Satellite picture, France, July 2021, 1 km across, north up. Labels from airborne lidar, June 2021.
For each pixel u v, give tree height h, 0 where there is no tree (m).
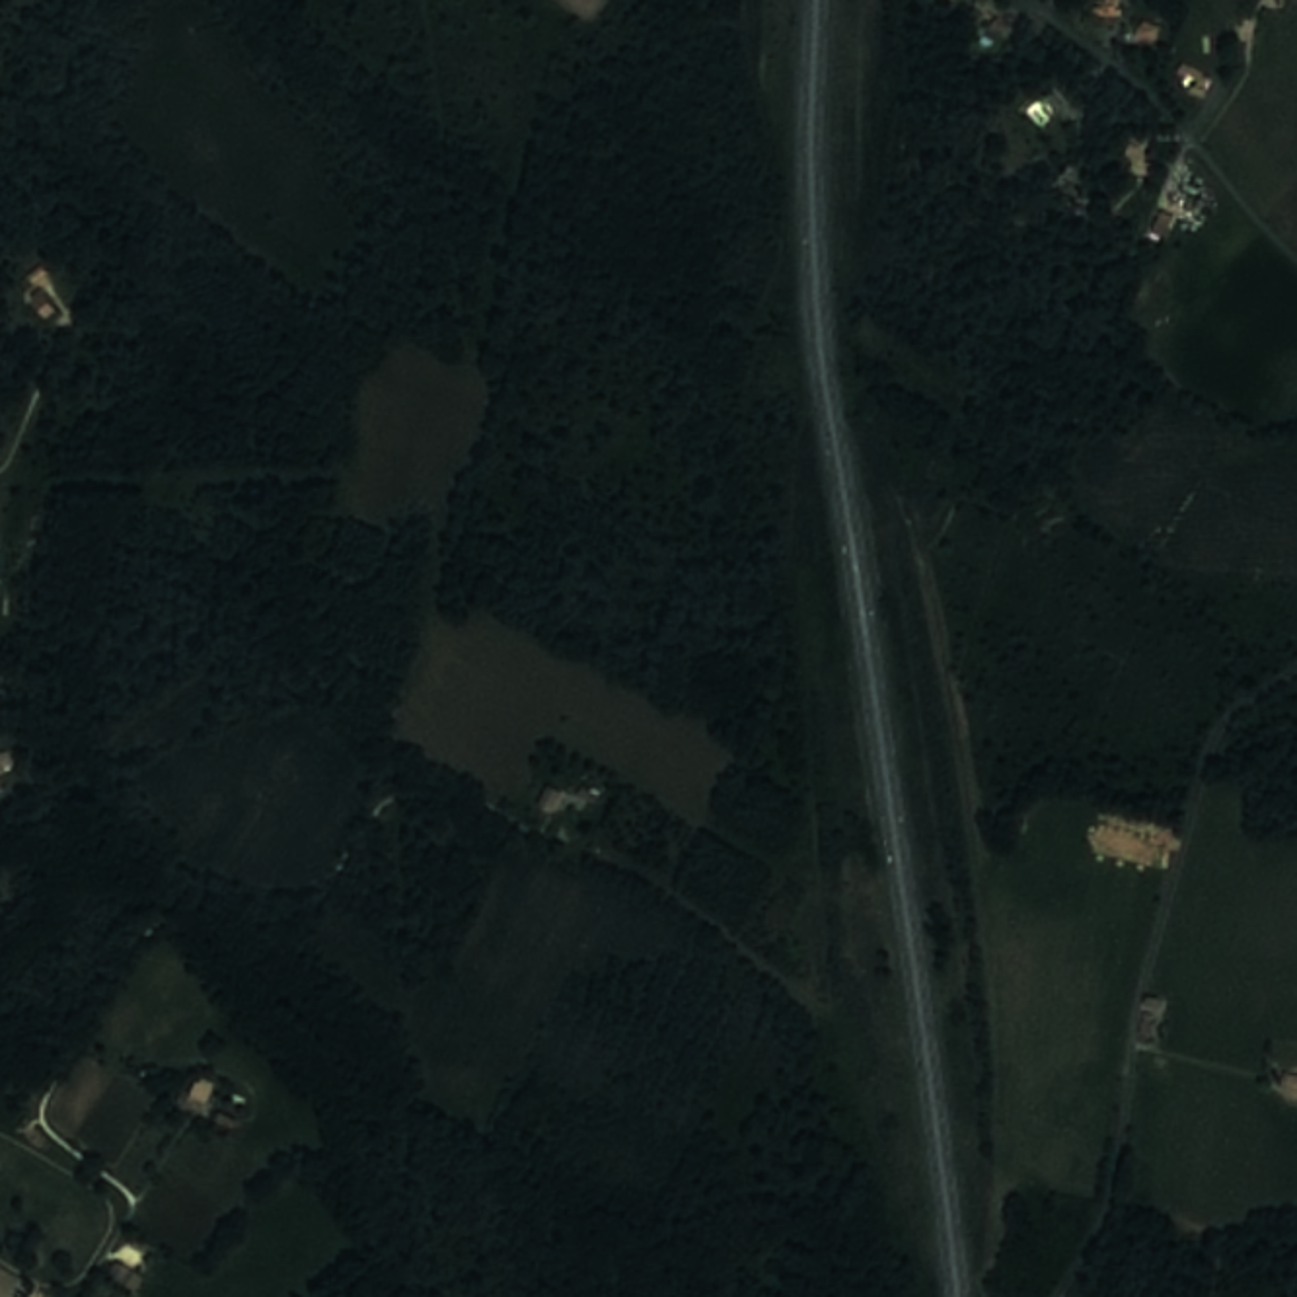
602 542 10
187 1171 0
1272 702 13
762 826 10
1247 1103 0
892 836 0
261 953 23
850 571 0
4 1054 21
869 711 0
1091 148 9
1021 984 0
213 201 0
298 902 16
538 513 9
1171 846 0
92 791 6
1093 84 21
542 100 17
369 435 0
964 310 21
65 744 22
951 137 22
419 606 7
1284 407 0
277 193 0
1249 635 0
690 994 10
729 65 12
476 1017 0
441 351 17
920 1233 0
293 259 0
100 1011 12
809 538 0
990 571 0
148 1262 9
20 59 11
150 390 24
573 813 6
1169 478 0
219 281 12
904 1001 0
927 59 10
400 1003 0
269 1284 0
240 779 0
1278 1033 0
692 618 10
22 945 22
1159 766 7
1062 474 20
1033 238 12
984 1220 0
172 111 0
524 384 14
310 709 24
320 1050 19
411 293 20
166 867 23
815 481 0
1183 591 9
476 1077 0
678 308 17
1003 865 0
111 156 19
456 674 0
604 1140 10
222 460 16
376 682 14
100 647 26
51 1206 0
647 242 22
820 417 0
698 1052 11
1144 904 0
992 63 14
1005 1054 0
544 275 20
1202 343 0
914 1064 0
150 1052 0
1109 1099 0
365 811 9
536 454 22
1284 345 0
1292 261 0
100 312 21
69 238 22
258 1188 17
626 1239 25
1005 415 20
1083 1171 0
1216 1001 0
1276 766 16
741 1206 19
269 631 17
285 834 0
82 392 21
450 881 18
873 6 0
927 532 0
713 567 22
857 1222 14
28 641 9
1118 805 20
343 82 25
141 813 18
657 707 9
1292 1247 9
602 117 16
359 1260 19
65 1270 12
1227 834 0
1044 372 18
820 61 0
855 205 0
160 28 0
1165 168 17
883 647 0
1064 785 14
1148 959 0
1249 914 0
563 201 23
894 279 9
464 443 0
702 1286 25
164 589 22
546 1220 26
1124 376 16
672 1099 6
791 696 7
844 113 0
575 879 0
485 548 13
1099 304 23
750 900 8
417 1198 20
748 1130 15
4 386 16
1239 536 0
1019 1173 0
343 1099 18
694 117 12
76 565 23
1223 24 0
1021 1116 0
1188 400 7
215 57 0
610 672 18
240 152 0
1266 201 0
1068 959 0
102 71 16
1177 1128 0
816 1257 25
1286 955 0
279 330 15
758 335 7
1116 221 9
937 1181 0
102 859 22
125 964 22
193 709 0
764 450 6
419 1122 22
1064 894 0
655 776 0
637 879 14
